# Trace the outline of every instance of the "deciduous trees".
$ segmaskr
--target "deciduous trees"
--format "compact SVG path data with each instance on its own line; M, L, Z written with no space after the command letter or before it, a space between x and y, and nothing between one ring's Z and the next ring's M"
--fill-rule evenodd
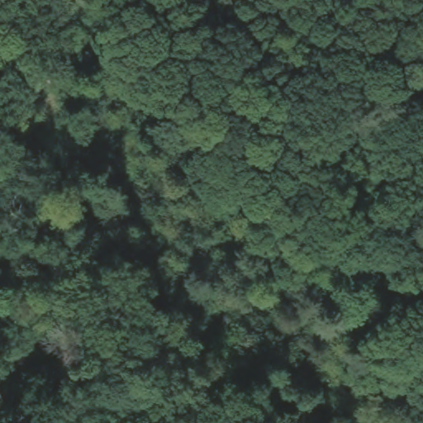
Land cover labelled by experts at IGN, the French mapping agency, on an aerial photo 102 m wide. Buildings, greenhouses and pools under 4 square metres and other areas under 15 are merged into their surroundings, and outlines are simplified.
M423 423L423 0L0 0L0 423Z

